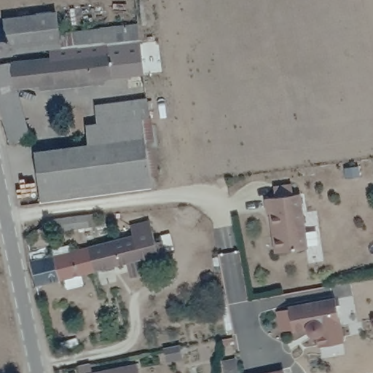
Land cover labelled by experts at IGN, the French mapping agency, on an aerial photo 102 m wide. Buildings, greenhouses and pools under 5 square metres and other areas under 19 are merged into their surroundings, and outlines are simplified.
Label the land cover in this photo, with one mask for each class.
<instances>
[{"label":"agricultural land","instance_id":"1","mask_svg":"<svg viewBox=\"0 0 373 373\"><path fill-rule=\"evenodd\" d=\"M157 44L162 70L153 74L143 73V70L136 77H140L143 83L138 90L146 93V96L150 98L149 112L152 121L156 122L162 137L160 168L165 166L168 169V179L162 189L197 184L214 185L219 179H224V173L251 170L296 166L305 163L306 160L347 162L373 154V0H170L166 9H162V6L157 7ZM25 344V337L20 338L17 332L15 309L10 300V288L0 251V373H19L15 363L25 354L22 353V345Z\"/></svg>","mask_w":373,"mask_h":373},{"label":"herbaceous vegetation","instance_id":"2","mask_svg":"<svg viewBox=\"0 0 373 373\"><path fill-rule=\"evenodd\" d=\"M170 0H0V35L4 32L3 22L7 17L47 12L58 16L61 10H66L70 13L71 25H77L80 19L98 22L92 31L112 26L137 25V39L141 44L147 41L157 44V7L162 6V9H166ZM73 125L74 130L86 134L87 127L96 121L95 117H86L77 109L73 111ZM344 168H358V178L345 179ZM252 176L243 179L239 184L227 186V194L230 197L248 182L267 181L271 184L280 179H288L299 188L300 194H306L307 210L318 214L319 239L323 254L321 264L332 265L335 271L373 264V154L347 162L306 160L305 163L296 166L251 170ZM175 208H191L200 216L195 221L197 229L207 233L211 240L214 239L216 229L213 220L204 213L203 208L191 203L128 205L109 211L106 214V224L118 223L121 232L125 236H131L128 230L130 223L150 221L157 217L163 223L173 224ZM103 210L93 208L55 214L44 211L42 219L32 221L31 226L22 233L25 239V259L31 265V259L44 258L47 242L42 235V229L60 226L57 221L60 219L93 217L101 216ZM271 219L267 213L258 219L239 214L249 275L254 274L256 265H262L270 270L267 277L270 286L255 287L254 293H267L280 287L286 288V293L321 287L319 283H310L309 268L312 264L307 261V245L305 248L291 249L290 254L272 261L268 227V221ZM106 226H89L79 229V232L63 230L64 240H76L80 243L77 248L86 249L99 245L106 242L109 237L103 236ZM152 242L156 243L159 249L138 261V270L149 261H162L172 255V251H169L162 242V236L169 235V230L156 232L153 229L150 233ZM198 258H204V267L207 271L220 278L224 306L229 305L226 278L223 265L213 267V259L217 255L213 254V251L200 249L194 252ZM114 286L119 287V293L125 303L144 286L138 275L130 277L128 271L118 275ZM32 291L35 294L39 291H45L47 294L52 326L60 334L66 335L68 347H74L77 342L83 341L85 350H95L96 347L90 342V332H99L96 315L102 306L89 277L85 280L82 277L68 278L64 284L55 281L34 286ZM80 312H82V313H83V318H85V323H83V329H82V331H79V332H74V331H68V329L66 328V325H64V322L68 321V319H73V318H76V316H77V315H79V313H80ZM350 296L353 297L356 306L353 312L356 313L354 321L361 322V329L357 335L350 332L344 335L341 344L344 345V354L341 356L328 357L326 360L319 358L310 364L297 357L294 363L303 373H373V280L351 283ZM194 284H179L170 294H175L182 302H186L191 296ZM168 296H149V300L140 306V318L143 322L149 319L153 312H159L160 322L154 323V328L175 326L179 331L178 335H157V344L197 341L198 345L181 348V360L178 363L169 364L163 353L159 354V364H137L138 373H211L210 358L213 356L214 347L216 342L223 341L226 334L223 319L208 323H198L192 319L170 321L166 313Z\"/></svg>","mask_w":373,"mask_h":373},{"label":"building","instance_id":"3","mask_svg":"<svg viewBox=\"0 0 373 373\"><path fill-rule=\"evenodd\" d=\"M58 16L47 12L7 17L3 22L4 32L0 35V58L29 52H50L48 58L0 64V90L1 93H9L10 90H34L35 87L50 90L60 87L99 86L108 80L125 82L131 77H136L143 70L141 44L137 39V25L112 26L92 31L61 35L58 32ZM150 98L146 96L137 101L93 105V114L90 117H95L96 121L87 127L86 134L85 146L38 152L35 154L36 163L32 165L35 172H38V178L34 179L32 184L39 186V203L146 188L153 179V173L150 153L144 149L143 128L146 127V122L152 121L149 112ZM345 179L358 178V168H344ZM259 195L270 198L264 205L267 213L271 219L268 221V227L272 261L290 254L291 249L305 248L307 245V226L302 213L300 194L299 188L288 179H280L271 184L258 189ZM93 217L60 219L57 221L60 226L63 230L79 232V229L89 226ZM128 230L131 236H125L121 232L118 237H109L106 242L99 245L86 249L77 248L74 252L68 251L67 254L44 258L31 259V265L32 272H29V275L34 286L55 281L64 284L68 278L82 277L85 280L89 277V274L98 275L99 271H111L124 265L128 271L130 277L138 275V261L159 249L156 243L152 242L150 233L153 229L150 221L130 223ZM338 306L337 297L290 306L287 310L277 312L275 322L278 328L281 332H291L293 339L307 335L305 345L322 342L323 347H332L341 344L344 335L350 332L347 326L339 322L335 313V307ZM226 357L224 363L220 364V373H239L236 366H239L237 360H240L242 354L239 351V339L235 329L226 334L223 341ZM169 364L178 363L181 360V348H165L163 353ZM74 373H138L137 364L102 372H92V366L85 364L77 367Z\"/></svg>","mask_w":373,"mask_h":373},{"label":"pervious surface","instance_id":"4","mask_svg":"<svg viewBox=\"0 0 373 373\"><path fill-rule=\"evenodd\" d=\"M50 52H29L0 58V64L48 58ZM143 83L140 77H131L125 82L108 80L99 86L60 87L50 90L35 87L34 90H10L9 93H1L0 90V125L7 146L22 144L31 147L32 165L36 163L35 154L38 152L85 146L86 134L74 130L73 125L68 127L67 131H54L48 118L54 117L61 106L67 108V111H73L77 109L86 117H90L93 114V105L137 101L146 96V93L138 90ZM144 149L150 153L153 173V179L146 188L39 203L28 207L17 205L10 214L15 223L17 251L20 254L23 281L28 291V302L31 305L38 348L41 351L42 367L44 370H54V367L66 366L79 360H98L134 351L138 338L143 335V322L140 318V306L149 300V296H168L170 294L179 284H194L200 278L201 272L207 271L204 267V258H198L194 252L200 249L213 251L216 245L214 239L211 240L207 233L197 229L195 221L200 216L191 208H175L173 224L163 223L157 217L150 221L153 229L156 232L169 230V235L162 236V242L169 251H172V255L176 261V277L170 284L159 291L149 290L144 286L125 303L128 307V321L130 328L125 339L105 347H96L95 350H85L70 356H52L50 344L45 337L44 323L36 307L35 294L32 291L34 286L29 275V272H32L31 265L25 259V239L22 233L31 226L32 221L42 219L44 211L55 214L93 208L103 210L109 211L128 205L191 203L203 208L204 213L213 220L216 229L232 226L230 214L237 211L239 214L258 219L267 213L264 205L270 198L259 195L258 189L271 184L267 181L248 182L230 197L227 194V186L224 179H219L214 185L197 184L162 189L168 179V169L165 166L160 168L162 137L156 122L152 121L146 122V127L143 128ZM0 251L10 288V300L15 309L17 332L20 338L25 337L0 220Z\"/></svg>","mask_w":373,"mask_h":373},{"label":"impervious surface","instance_id":"5","mask_svg":"<svg viewBox=\"0 0 373 373\"><path fill-rule=\"evenodd\" d=\"M143 70V73L153 74L162 70L157 44L147 41L141 44ZM31 147L22 144L7 146L0 125V220L25 337V344L22 345V353L25 354L15 363L19 373H54V370H44L42 367L41 351L38 348L31 305L28 302V291L23 281L20 254L17 251L15 223L10 214L17 205L28 207L39 203V186L32 184L34 179L38 178V172H35L32 165ZM302 213L307 226V261L312 264H321L323 254L319 239L318 214L307 210L306 194H300ZM216 245L213 251V254L217 255L213 259V267L223 265L226 278L229 305L224 306L223 319L226 334L235 329L239 339V351L242 354L240 360H237L239 366H236L239 373H303L294 363L297 357L310 364L319 358L326 360L328 357L341 356L344 354V345L341 344L332 347H323L322 342L305 345L307 335L293 339L291 332H281L278 328L275 322L277 312L287 310L290 306L337 297L338 306L335 307V313L339 322L347 326L350 332L357 335L361 329V322L354 321L356 313L353 312L356 306L353 297L350 296L351 283L321 287L286 293L248 300V291L243 288L240 275V255L239 251H236L232 226L216 229L214 239ZM128 271L124 265L111 271H99L98 275L102 286H114L118 275Z\"/></svg>","mask_w":373,"mask_h":373},{"label":"deciduous trees","instance_id":"6","mask_svg":"<svg viewBox=\"0 0 373 373\"><path fill-rule=\"evenodd\" d=\"M58 32L61 35L92 31L98 22L80 19L77 25H71L70 13L66 10H61L58 16ZM252 176L251 170L224 173V179L227 186L239 184L243 179ZM109 211L103 210L101 216L93 217L89 226H106L103 236L109 237H118L121 232L118 223L106 224V214ZM42 235L47 242L44 258L67 254L68 251L74 252L77 248L80 243L76 240H64L63 230L60 226L42 229ZM138 275L144 286L149 290L159 291L170 284L176 277V261L172 255L162 261H149L138 270ZM270 270L262 265H256L254 274L249 275L252 287H255L270 286L267 277ZM166 313L170 321L192 319L198 323H208L223 319L224 306L220 278L207 271L201 272L200 278L194 284L191 296L186 302H182L175 294H170L168 296ZM99 332H90V342L96 347H105L125 339L130 328L128 321H122V316L117 318L115 307L102 306L96 315ZM83 323H85V318H83V313H82V312H80V313H79V315H77V316H76V318H73V319H68V321L64 322V325H66V328L68 329V331H74V332H79V331H82V329H83ZM226 357L223 341L216 342L214 347L213 356L210 358L211 373H220V364L224 363Z\"/></svg>","mask_w":373,"mask_h":373},{"label":"brushwood","instance_id":"7","mask_svg":"<svg viewBox=\"0 0 373 373\"><path fill-rule=\"evenodd\" d=\"M232 226L236 251H239L240 255V275L243 288L248 291V300L286 293V288L280 287L267 293H254L255 287H252L249 275L239 214L237 211L230 214ZM310 283H319L321 287L351 283L373 280V264L335 271L332 265L321 264H312L309 268ZM102 306L115 307L117 318L122 316V321H128V307L125 303L119 293V287L114 286H102L98 275L89 274V277ZM36 307L44 323L45 337L50 344L52 356H70L85 350L83 341L77 342L74 347H68L66 335L60 334L52 326L47 294L45 291H39L35 294ZM160 322L159 312H153L149 319L143 322V335L138 338L134 351L98 360H79L66 366L54 367V373H74L77 367L85 364L92 366V372H102L137 364H159V354L163 353L165 348H181L198 345L197 341L157 344V335H178L179 331L175 326L154 328V323Z\"/></svg>","mask_w":373,"mask_h":373},{"label":"coniferous trees","instance_id":"8","mask_svg":"<svg viewBox=\"0 0 373 373\"><path fill-rule=\"evenodd\" d=\"M54 131H67L68 127L73 125V111H67V108L61 106L54 117L48 118Z\"/></svg>","mask_w":373,"mask_h":373}]
</instances>
